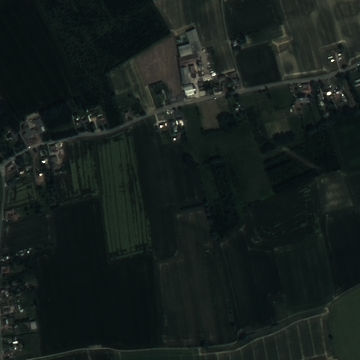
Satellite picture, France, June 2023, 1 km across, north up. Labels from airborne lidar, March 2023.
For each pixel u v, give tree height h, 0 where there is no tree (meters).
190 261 0
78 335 0
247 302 0
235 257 0
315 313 0
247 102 0
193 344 0
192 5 0
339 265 0
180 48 0
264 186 0
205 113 0
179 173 0
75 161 0
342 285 0
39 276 0
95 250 0
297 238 0
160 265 0
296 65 0
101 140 0
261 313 0
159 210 0
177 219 0
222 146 0
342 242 0
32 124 0
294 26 0
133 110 8
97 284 0
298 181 12
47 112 30
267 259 0
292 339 0
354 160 0
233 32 0
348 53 0
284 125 0
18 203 0
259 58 0
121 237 0
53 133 0
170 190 0
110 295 0
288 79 0
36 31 0
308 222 0
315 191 0
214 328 0
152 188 0
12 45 0
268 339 0
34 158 0
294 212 0
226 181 12
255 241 0
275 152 0
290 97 0
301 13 0
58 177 0
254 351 0
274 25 0
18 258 6
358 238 0
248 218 0
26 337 0
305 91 0
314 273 0
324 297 0
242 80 0
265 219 0
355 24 0
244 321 0
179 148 0
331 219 0
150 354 0
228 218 11
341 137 0
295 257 0
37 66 0
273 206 0
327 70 0
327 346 0
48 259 0
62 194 0
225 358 0
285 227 0
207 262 0
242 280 0
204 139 0
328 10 0
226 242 0
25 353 0
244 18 0
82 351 0
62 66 0
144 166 0
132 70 0
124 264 0
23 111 0
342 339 0
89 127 13
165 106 0
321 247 0
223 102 0
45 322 0
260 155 0
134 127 0
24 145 8
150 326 0
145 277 0
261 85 0
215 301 0
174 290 0
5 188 0
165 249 0
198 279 0
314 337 0
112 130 0
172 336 0
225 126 26
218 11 0
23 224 0
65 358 0
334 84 0
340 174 0
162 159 0
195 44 0
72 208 0
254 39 0
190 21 0
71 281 0
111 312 0
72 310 0
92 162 0
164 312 0
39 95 0
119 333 0
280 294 0
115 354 0
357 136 0
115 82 0
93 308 0
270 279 0
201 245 0
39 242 0
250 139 0
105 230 0
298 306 0
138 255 0
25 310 0
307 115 0
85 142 0
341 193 0
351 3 0
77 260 0
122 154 0
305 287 0
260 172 0
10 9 0
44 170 11
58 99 0
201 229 0
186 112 0
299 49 0
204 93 0
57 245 0
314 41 0
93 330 0
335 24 0
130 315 0
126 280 0
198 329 0
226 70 0
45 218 0
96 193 0
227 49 0
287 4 0
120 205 0
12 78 0
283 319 0
